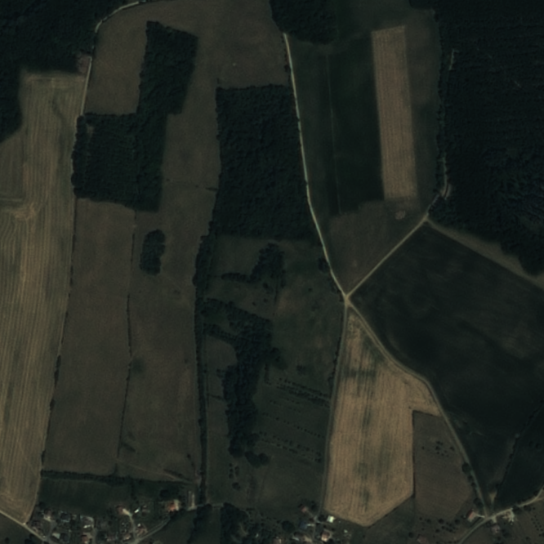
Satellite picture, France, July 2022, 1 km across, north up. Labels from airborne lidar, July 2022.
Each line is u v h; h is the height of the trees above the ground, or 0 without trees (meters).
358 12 0
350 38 0
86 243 0
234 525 11
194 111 0
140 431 0
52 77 0
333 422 0
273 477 0
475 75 20
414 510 0
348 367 0
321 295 0
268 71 0
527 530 0
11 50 23
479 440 0
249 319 9
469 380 0
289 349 0
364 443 0
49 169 0
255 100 9
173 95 19
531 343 0
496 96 17
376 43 0
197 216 0
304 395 6
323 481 0
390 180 0
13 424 0
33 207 0
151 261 17
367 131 0
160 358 0
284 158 8
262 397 0
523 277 0
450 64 11
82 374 0
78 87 0
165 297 0
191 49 13
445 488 0
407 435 0
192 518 0
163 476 0
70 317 0
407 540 0
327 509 0
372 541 0
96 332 0
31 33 21
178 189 0
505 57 19
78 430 0
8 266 0
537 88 15
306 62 0
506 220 26
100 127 7
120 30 0
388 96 0
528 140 17
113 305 0
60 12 19
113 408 0
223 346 0
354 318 0
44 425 0
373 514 0
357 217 0
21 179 0
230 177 11
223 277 9
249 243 0
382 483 0
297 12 26
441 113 12
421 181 0
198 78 0
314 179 0
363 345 0
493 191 21
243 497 0
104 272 0
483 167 18
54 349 0
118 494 0
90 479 9
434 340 0
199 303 13
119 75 0
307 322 0
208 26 0
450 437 0
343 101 0
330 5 22
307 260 0
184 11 0
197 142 0
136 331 0
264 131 19
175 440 0
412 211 0
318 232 0
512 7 16
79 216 0
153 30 13
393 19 0
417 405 0
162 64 14
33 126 0
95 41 16
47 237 0
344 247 0
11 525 0
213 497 0
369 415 0
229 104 16
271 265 20
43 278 0
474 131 19
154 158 16
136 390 0
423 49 0
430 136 0
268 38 0
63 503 0
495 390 0
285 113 15
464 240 0
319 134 0
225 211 6
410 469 0
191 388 0
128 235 0
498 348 0
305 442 0
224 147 9
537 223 22
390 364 0
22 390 0
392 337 0
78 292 0
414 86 0
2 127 20
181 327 0
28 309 0
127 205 13
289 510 0
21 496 0
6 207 0
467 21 16
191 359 0
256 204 11
